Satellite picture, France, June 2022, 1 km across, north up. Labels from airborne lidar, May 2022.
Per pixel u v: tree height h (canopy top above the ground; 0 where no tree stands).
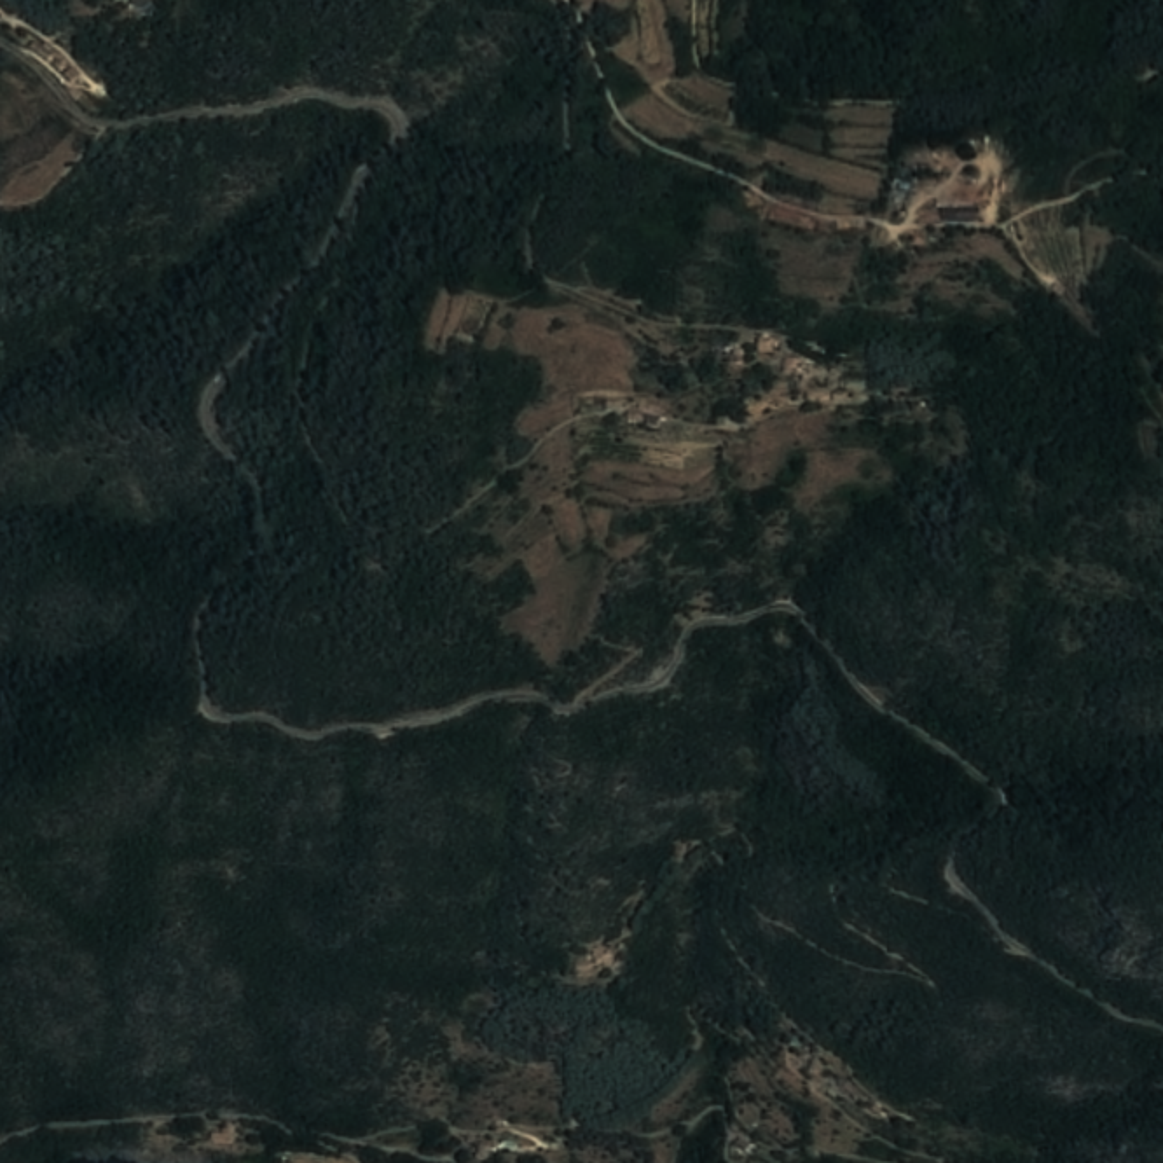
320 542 10
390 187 10
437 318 0
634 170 6
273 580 14
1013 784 15
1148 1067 9
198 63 7
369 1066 8
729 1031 6
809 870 10
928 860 8
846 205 0
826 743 18
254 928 9
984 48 11
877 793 22
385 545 20
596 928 6
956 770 16
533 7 8
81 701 16
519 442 8
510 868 9
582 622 0
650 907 19
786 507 6
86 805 6
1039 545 7
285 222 14
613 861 10
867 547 7
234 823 10
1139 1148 7
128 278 8
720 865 6
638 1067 15
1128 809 14
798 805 9
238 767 7
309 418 15
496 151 6
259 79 6
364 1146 8
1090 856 9
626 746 11
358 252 14
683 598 9
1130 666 9
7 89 0
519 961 9
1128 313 6
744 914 8
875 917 9
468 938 7
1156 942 6
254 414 17
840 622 10
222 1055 10
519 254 9
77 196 12
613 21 13
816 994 8
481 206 20
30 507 11
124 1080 10
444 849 9
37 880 8
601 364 0
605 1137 18
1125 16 21
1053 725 8
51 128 0
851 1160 7
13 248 14
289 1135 9
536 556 0
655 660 8
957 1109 9
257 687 7
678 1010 7
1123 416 10
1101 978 8
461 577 7
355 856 9
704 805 7
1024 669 9
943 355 17
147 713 11
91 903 6
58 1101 11
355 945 9
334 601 10
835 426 9
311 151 8
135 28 11
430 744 6
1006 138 10
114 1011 6
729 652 8
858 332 6
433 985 10
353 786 9
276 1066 10
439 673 10
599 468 0
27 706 11
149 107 20
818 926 8
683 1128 12
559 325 13
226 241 9
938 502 14
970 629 7
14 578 7
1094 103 12
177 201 7
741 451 0
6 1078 8
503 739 12
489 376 8
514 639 7
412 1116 6
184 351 19
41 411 15
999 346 16
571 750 7
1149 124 10
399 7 7
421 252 8
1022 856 10
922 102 16
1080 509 8
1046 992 8
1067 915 7
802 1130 11
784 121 11
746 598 11
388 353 19
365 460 15
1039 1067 10
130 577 12
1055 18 17
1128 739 9
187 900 7
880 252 6
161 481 8
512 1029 11
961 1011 6
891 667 7
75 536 16
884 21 13
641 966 13
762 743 14
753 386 9
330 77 6
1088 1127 11
